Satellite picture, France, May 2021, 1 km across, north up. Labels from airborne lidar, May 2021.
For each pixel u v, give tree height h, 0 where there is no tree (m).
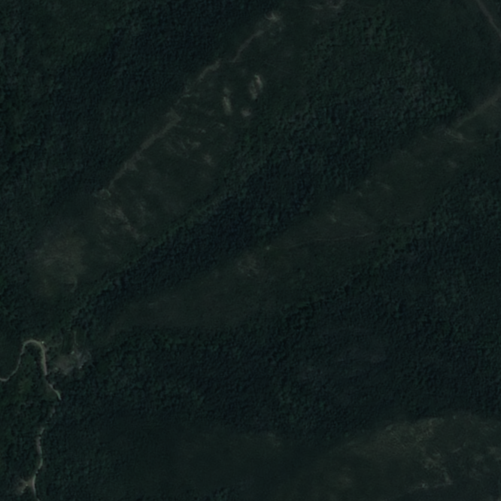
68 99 14
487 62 7
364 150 7
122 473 6
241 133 9
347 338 8
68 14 7
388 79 9
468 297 10
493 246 8
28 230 11
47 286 0
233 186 12
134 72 8
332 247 7
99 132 8
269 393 10
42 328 8
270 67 7
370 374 7
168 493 6
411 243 8
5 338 7
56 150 10
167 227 7
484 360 12
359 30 9
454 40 7
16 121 23
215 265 6
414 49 9
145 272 13
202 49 10
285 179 10
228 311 8
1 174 20
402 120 7
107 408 7
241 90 5
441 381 9
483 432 0
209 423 5
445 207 10
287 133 12
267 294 6
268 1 7
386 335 11
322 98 17
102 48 18
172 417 7
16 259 14
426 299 14
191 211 12
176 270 6
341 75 6
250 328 14
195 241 12
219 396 14
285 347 13
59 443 15
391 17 11
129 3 14
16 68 18
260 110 10
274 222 18
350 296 9
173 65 6
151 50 9
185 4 10
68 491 7
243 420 11
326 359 11
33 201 9
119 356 16
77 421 14
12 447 19
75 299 10
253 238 15
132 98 7
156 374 9
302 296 14
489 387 10
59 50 7
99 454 15
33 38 8
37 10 9
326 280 10
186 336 15
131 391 12
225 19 10
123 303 13
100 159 7
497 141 7
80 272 0
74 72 12
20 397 9
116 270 10
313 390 7
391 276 10
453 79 8
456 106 11
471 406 6
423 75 12
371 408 7
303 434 7
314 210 6
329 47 15
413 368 10
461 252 12
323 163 7
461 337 13
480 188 6
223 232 13
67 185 9
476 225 6
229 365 15
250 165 14
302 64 6
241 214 10
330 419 12
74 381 17
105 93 9
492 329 9
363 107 10
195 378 13
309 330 13
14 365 12
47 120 19
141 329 12
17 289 11
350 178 12
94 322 11
